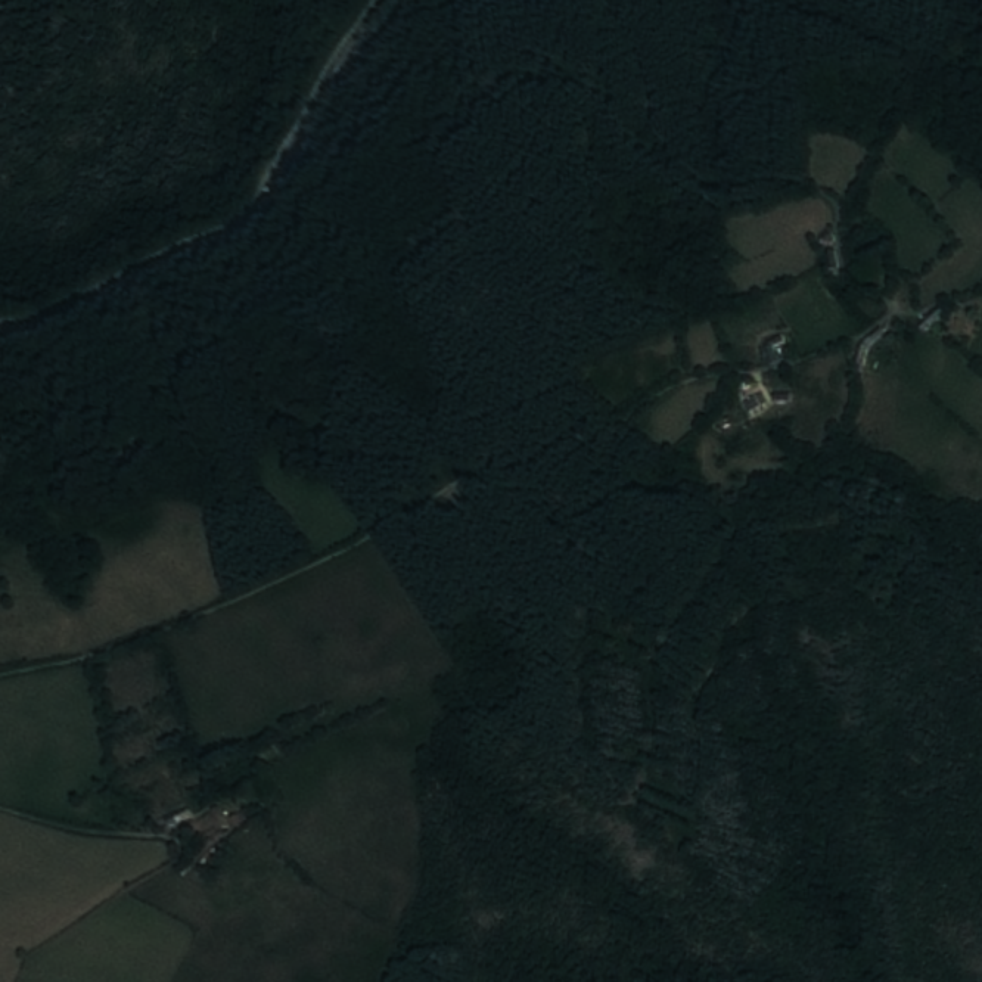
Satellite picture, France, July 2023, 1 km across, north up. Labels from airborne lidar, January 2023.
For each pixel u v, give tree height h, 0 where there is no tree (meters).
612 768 28
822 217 0
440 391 17
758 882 24
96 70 6
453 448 30
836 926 30
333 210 18
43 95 9
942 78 19
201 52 11
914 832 17
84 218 23
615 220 19
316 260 18
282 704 0
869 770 15
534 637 27
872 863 13
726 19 27
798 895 13
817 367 0
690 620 25
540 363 29
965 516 15
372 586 0
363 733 0
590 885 18
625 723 21
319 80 12
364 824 0
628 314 28
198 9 16
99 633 0
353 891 0
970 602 13
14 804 0
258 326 24
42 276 15
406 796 0
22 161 5
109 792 17
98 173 22
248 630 0
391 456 22
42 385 28
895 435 0
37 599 0
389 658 0
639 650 19
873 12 28
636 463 32
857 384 14
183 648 0
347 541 6
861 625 14
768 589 28
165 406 21
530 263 24
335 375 21
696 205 27
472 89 28
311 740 12
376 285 19
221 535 19
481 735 19
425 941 8
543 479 28
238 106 21
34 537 7
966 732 14
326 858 0
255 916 0
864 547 25
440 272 30
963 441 0
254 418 21
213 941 0
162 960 0
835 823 21
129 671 0
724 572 21
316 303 23
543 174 28
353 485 31
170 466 20
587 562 31
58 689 0
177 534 0
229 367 21
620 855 10
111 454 21
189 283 15
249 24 20
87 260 19
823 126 16
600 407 18
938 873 17
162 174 27
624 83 29
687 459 19
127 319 22
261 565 25
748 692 23
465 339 31
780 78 31
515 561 32
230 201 19
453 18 20
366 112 6
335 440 29
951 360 0
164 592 0
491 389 29
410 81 13
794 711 16
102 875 0
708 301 10
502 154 24
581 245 29
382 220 17
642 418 13
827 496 14
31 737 0
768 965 12
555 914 5
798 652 14
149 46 14
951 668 18
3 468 27
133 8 18
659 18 33
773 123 28
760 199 28
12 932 0
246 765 7
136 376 22
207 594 0
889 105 6
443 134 15
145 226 16
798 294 0
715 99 28
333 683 0
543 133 19
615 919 16
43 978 0
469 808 9
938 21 31
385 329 17
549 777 17
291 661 0
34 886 0
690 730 18
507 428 30
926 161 0
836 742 14
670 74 36
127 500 21
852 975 22
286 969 0
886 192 0
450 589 25
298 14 16
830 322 0
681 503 29
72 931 0
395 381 19
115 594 0
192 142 25
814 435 0
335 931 0
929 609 26
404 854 0
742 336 0
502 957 20
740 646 23
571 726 27
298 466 21
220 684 0
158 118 23
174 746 18
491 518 30
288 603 0
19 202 6
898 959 14
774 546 23
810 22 31
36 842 0
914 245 0
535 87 25
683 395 0
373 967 0
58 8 21
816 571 7
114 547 0
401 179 18
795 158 25
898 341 6
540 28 32
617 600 29
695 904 17
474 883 10
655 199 8
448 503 0
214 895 0
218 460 20
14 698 0
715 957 8
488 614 11
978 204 0
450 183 11
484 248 25
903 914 14
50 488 8
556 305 32
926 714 23
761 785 22
